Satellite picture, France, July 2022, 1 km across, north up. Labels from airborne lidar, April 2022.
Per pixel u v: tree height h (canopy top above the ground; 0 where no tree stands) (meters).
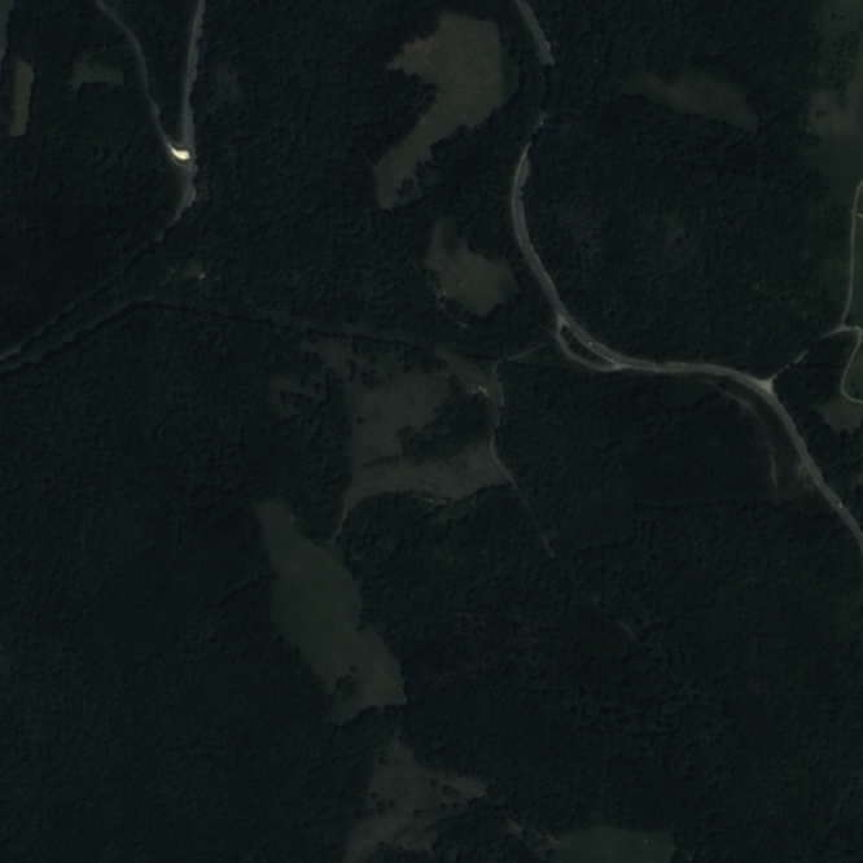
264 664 16
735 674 16
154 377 17
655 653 21
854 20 0
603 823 9
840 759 16
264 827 19
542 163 17
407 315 7
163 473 25
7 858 16
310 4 7
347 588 0
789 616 22
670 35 15
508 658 18
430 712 22
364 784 9
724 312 6
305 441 13
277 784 13
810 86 6
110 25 11
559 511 10
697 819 24
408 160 0
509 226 14
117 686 11
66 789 12
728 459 7
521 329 14
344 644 0
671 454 12
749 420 7
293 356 13
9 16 0
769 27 16
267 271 13
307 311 11
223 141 11
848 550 11
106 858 11
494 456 0
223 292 12
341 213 18
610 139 19
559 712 22
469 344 8
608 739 22
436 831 7
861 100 0
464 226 15
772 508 15
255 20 18
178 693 11
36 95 13
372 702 0
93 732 7
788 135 15
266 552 13
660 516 19
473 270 0
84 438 9
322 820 9
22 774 10
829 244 7
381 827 0
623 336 6
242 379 18
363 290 20
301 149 13
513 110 21
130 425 22
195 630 9
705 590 9
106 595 9
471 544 20
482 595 14
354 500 0
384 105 25
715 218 18
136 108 18
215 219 13
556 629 9
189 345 17
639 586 17
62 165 18
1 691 7
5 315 21
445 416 10
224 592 14
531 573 11
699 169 26
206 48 12
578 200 17
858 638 9
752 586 15
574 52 14
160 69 14
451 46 0
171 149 0
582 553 10
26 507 15
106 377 16
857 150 0
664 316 9
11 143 19
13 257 25
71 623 16
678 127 6
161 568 10
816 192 16
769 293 9
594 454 8
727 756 16
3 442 16
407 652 20
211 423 13
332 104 6
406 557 16
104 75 0
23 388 11
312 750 10
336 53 7
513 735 21
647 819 23
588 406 8
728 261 15
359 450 0
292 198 9
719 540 13
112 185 22
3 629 7
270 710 10
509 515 19
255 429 23
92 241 24
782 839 19
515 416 10
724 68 13
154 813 18
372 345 15
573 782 18
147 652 7
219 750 15
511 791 15
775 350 13
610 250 17
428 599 17
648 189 16
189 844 16
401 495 7
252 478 18
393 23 15
